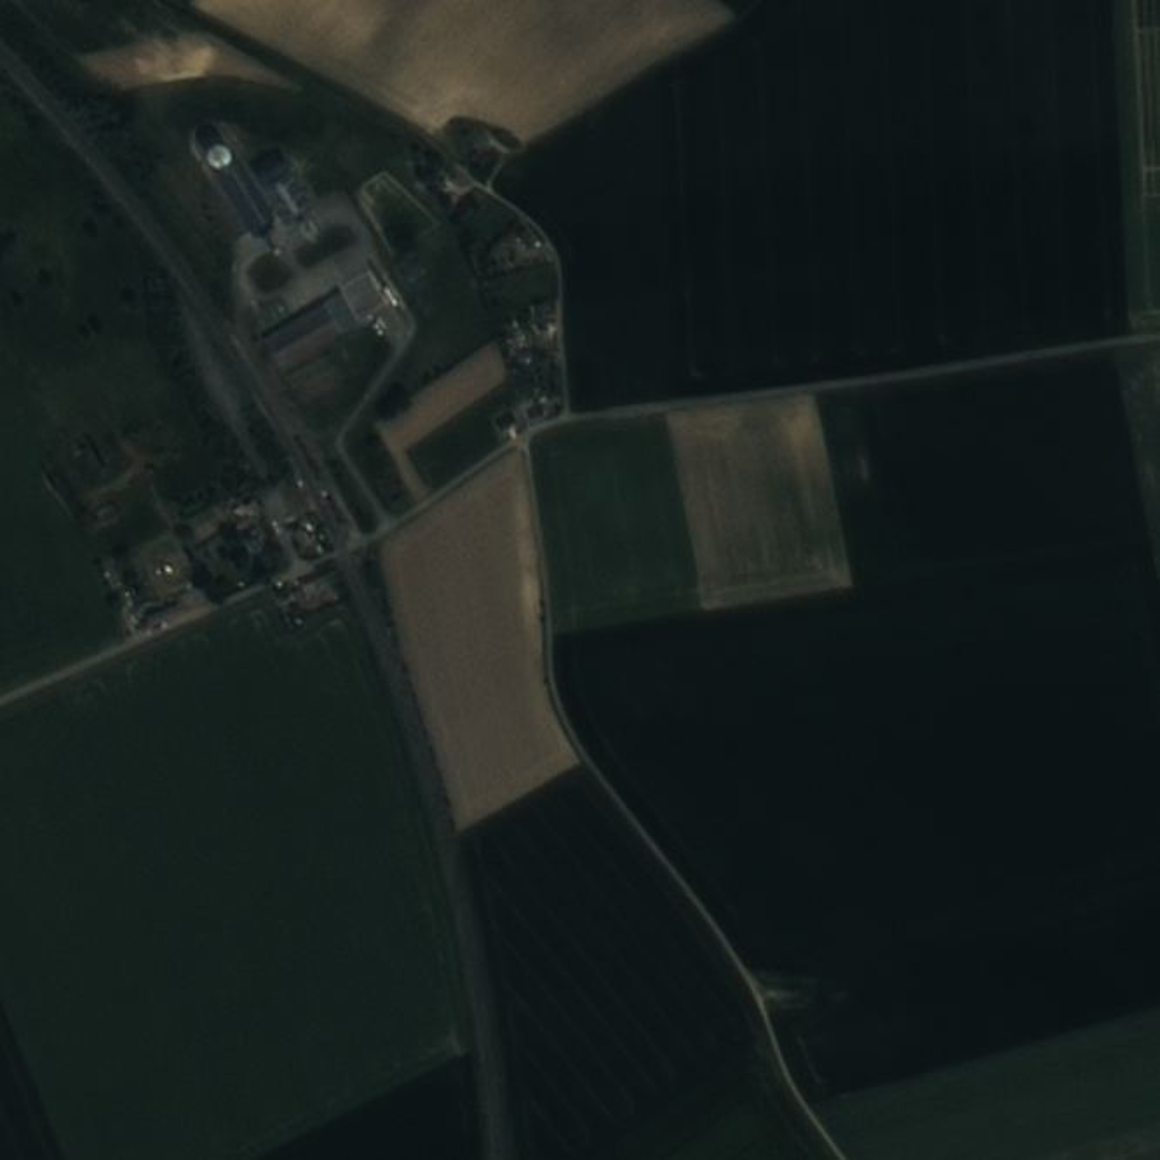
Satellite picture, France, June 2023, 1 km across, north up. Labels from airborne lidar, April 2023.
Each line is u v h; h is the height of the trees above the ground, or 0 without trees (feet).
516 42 0
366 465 0
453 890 0
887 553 0
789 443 0
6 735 0
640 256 0
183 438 0
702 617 0
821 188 0
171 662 0
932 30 0
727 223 0
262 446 33
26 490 0
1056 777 0
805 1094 0
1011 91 0
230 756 0
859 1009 0
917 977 0
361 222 0
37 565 0
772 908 0
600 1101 0
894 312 0
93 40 0
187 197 0
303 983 0
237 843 0
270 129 0
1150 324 0
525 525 0
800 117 0
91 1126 0
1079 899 0
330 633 0
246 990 0
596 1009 0
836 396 0
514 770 0
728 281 0
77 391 0
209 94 0
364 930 0
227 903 0
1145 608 0
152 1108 0
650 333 0
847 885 0
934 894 0
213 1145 0
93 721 0
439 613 0
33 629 0
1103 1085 0
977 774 0
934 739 0
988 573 0
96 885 0
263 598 0
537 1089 0
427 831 0
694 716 0
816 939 0
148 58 0
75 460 0
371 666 0
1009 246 0
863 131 0
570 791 0
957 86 0
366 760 0
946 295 0
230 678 0
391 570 0
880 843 0
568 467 0
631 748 0
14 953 0
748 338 0
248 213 0
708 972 0
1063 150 0
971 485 0
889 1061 0
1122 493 0
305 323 0
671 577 0
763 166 0
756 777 0
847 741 0
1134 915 0
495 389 0
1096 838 0
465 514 0
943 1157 0
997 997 0
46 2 0
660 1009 0
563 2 0
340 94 0
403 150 0
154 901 0
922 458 0
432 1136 0
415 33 0
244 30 0
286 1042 0
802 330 0
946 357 0
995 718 0
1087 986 0
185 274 0
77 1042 0
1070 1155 0
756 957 0
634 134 0
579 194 0
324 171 0
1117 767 0
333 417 0
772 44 0
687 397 0
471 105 0
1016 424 0
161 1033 0
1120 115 0
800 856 0
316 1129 0
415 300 0
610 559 0
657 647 0
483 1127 0
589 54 0
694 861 0
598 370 0
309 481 0
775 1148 0
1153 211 0
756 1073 0
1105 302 0
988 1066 0
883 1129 0
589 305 0
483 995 0
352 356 0
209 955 0
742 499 0
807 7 0
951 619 0
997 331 0
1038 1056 0
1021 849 0
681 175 0
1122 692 0
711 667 0
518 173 0
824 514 0
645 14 0
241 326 0
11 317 0
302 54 0
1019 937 0
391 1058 0
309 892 0
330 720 0
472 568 0
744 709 0
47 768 0
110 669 0
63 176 0
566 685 0
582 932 0
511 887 0
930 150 0
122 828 0
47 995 0
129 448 0
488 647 0
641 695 0
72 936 0
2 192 0
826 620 0
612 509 0
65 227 0
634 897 0
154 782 0
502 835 0
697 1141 0
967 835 0
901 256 0
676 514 0
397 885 0
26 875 0
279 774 0
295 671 0
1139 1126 0
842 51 0
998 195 0
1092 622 0
